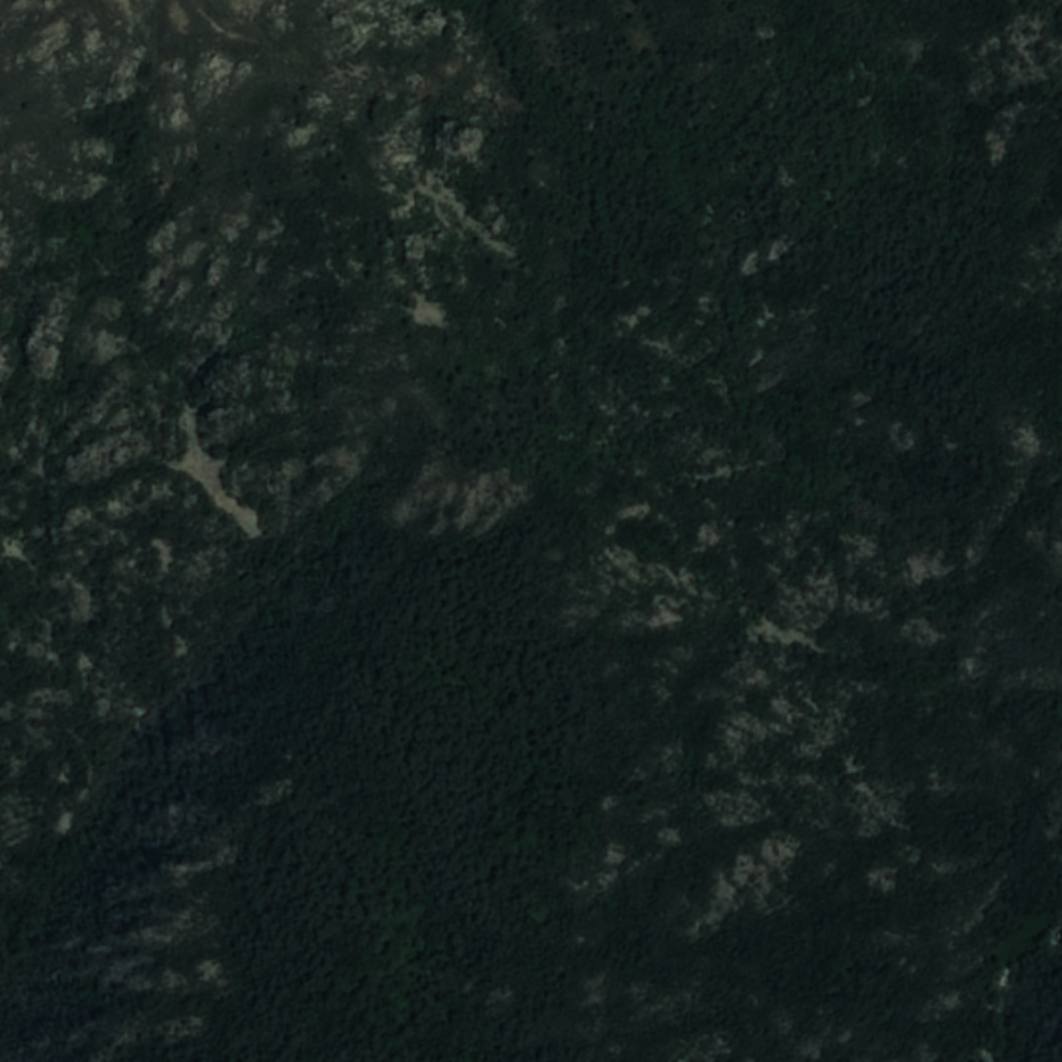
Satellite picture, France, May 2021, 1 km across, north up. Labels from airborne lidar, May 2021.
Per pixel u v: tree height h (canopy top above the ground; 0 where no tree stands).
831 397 8
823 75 9
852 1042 10
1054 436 12
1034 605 7
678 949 9
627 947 17
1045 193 7
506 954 14
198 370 9
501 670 24
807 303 13
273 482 8
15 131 0
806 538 10
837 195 23
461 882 22
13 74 0
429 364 6
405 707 17
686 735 11
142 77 9
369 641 19
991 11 14
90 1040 5
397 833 22
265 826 14
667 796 7
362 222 7
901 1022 11
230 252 6
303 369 9
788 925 17
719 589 11
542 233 7
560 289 16
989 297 8
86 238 23
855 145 25
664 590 11
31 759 14
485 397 19
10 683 10
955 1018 11
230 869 10
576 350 15
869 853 16
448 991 19
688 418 8
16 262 9
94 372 6
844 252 17
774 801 8
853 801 7
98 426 6
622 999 6
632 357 13
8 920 15
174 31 0
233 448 15
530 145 7
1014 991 11
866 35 24
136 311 13
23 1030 6
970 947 6
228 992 9
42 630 15
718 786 9
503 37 25
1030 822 9
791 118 15
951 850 7
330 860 30
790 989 13
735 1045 10
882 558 11
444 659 16
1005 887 11
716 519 7
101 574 6
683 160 16
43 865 15
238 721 10
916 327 7
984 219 19
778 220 24
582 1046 8
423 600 26
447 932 13
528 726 11
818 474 23
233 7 0
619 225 18
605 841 6
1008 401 5
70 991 14
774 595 18
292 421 13
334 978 17
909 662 10
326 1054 14
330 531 11
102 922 7
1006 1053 14
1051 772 10
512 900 8
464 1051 14
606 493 10
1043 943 21
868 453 8
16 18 0
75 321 6
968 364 10
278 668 9
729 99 7
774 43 18
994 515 10
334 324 17
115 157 9
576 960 9
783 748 9
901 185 11
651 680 9
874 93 11
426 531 6
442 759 8
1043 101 9
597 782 7
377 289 6
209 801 12
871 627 9
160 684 12
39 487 6
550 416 11
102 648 9
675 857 16
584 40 8
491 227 8
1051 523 6
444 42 7
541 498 7
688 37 6
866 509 11
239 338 10
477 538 9
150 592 14
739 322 23
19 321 10
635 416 17
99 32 0
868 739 12
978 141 15
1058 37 9
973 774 6
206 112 0
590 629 6
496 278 6
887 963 13
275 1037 8
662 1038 11
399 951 15
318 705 8
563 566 6
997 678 7
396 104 6
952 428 10
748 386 10
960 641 7
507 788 19
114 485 13
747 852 11
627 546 13
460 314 7
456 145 8
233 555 7
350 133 8
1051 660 8
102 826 8
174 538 6
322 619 9
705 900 11
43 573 9
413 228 8
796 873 13
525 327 8
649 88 22
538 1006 9
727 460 7
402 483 7
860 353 7
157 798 16
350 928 14
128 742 9
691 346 12
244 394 6
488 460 17
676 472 10
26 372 16
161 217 9
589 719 18
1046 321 13
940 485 8
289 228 7
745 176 11
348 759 15
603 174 23
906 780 8
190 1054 23
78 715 11
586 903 6
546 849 18
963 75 8
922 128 14
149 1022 6
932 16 7
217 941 6
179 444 11
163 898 7
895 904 13
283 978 9
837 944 13
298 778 11
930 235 12
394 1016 14
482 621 15
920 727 8
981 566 8
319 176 8
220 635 12
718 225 11
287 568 10
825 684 7
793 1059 13
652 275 15
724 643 9
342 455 0
